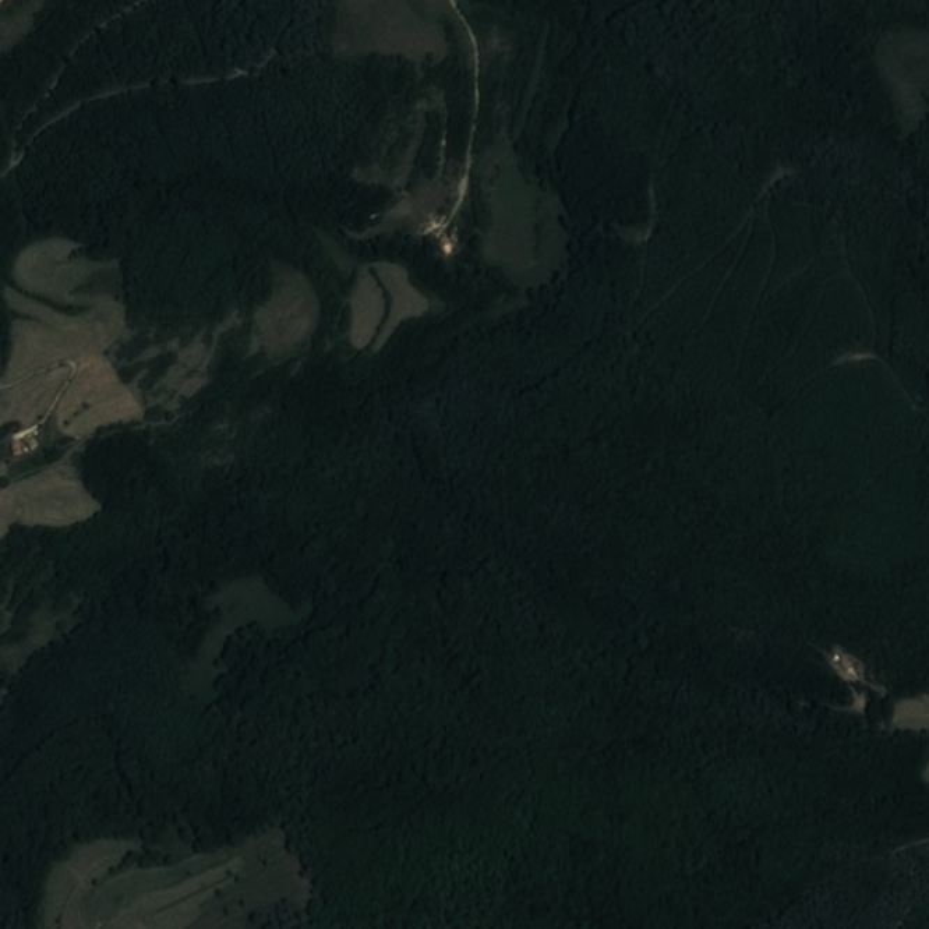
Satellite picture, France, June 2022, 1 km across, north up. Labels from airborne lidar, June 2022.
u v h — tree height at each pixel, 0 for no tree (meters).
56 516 0
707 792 12
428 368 13
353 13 0
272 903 0
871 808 10
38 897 15
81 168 7
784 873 11
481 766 11
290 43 23
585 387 13
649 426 17
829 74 19
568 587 21
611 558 14
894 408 6
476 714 19
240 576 5
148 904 0
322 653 18
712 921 14
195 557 16
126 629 15
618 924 13
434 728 18
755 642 7
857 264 7
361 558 7
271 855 0
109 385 0
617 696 15
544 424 17
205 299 12
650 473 13
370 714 17
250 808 17
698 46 18
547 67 7
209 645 0
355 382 7
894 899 18
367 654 19
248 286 12
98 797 19
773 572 15
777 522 10
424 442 15
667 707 11
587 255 24
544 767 13
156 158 16
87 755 19
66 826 17
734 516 10
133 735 15
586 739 11
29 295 9
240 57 30
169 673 16
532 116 16
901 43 0
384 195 17
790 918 13
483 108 10
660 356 16
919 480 6
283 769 11
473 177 9
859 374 6
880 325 6
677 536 14
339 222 14
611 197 15
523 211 0
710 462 13
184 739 15
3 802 19
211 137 12
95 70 13
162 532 19
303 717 18
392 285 0
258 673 15
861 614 9
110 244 19
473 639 12
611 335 12
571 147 16
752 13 13
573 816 12
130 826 16
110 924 0
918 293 14
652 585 15
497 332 19
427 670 20
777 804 12
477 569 7
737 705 8
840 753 10
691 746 11
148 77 11
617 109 6
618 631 16
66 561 18
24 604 9
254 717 17
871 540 5
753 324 6
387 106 10
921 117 0
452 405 11
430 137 14
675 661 18
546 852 13
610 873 16
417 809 7
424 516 10
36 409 0
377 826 8
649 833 14
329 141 10
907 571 8
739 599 14
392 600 6
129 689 16
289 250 14
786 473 10
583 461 15
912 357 16
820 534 13
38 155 14
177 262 14
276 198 25
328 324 9
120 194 14
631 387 16
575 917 19
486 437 15
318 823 18
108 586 9
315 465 16
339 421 14
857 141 16
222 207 14
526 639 17
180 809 9
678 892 12
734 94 11
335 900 11
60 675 13
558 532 11
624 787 14
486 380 11
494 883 8
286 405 13
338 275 15
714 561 16
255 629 13
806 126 9
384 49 0
